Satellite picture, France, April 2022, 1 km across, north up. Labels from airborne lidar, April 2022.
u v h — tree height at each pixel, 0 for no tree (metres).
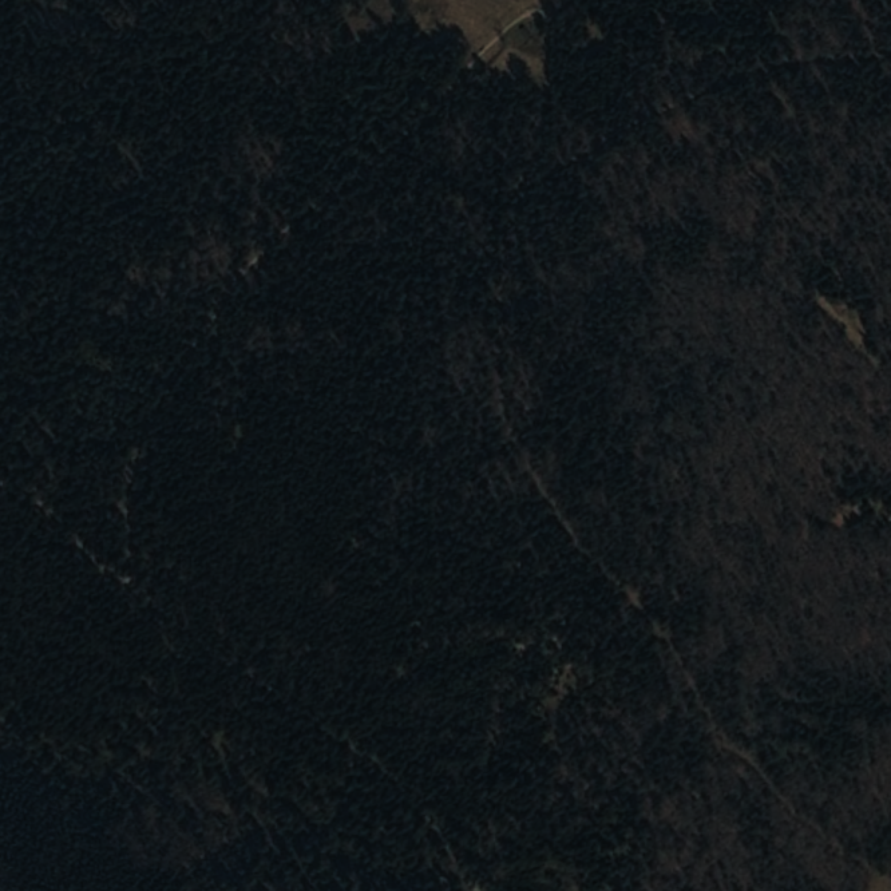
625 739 26
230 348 16
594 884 7
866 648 12
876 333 10
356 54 20
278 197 19
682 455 18
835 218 21
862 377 17
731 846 18
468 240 26
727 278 15
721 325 19
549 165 22
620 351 19
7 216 27
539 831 26
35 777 22
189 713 27
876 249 14
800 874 16
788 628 16
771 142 24
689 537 18
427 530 20
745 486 14
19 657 26
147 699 29
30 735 41
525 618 18
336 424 19
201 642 18
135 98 16
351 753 25
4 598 23
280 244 19
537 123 13
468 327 21
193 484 24
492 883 27
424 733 21
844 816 15
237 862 12
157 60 21
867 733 11
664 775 22
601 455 25
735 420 12
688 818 21
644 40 20
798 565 17
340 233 26
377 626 19
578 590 25
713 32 25
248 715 17
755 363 15
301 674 12
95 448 26
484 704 22
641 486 20
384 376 26
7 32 34
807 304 16
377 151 24
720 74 20
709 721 17
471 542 24
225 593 24
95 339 25
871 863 11
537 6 0
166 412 22
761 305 15
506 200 21
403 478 23
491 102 13
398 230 25
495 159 23
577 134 19
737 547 15
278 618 22
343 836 28
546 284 14
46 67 28
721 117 17
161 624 24
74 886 22
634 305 25
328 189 14
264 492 22
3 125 19
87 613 24
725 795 14
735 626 14
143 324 24
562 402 29
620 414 15
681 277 19
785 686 10
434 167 17
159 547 14
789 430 17
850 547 14
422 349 24
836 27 19
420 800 19
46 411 27
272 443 21
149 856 16
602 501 18
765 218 9
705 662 18
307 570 19
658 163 10
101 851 16
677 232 26
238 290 22
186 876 10
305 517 21
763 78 21
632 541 17
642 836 24
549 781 30
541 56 0
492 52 0
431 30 0
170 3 27
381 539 28
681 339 18
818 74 19
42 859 18
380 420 8
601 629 30
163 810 27
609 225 17
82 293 33
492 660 14
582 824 28
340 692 19
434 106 23
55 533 16
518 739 14
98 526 21
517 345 19
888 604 12
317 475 18
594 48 6
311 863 32
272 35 24
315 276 17
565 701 5
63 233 33
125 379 18
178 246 29
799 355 17
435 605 27
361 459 15
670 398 19
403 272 18
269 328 20
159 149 17
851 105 20
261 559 22
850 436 16
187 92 22
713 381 11
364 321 24
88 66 30
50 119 32
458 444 28
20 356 34
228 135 25
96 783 37
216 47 7
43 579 27
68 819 22
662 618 15
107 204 28
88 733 30
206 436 23
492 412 22
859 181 19
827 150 17
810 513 9
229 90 19
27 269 33
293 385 22
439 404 14
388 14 0
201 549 22
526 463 21
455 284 25
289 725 21
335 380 16
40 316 34
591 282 17
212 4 24
